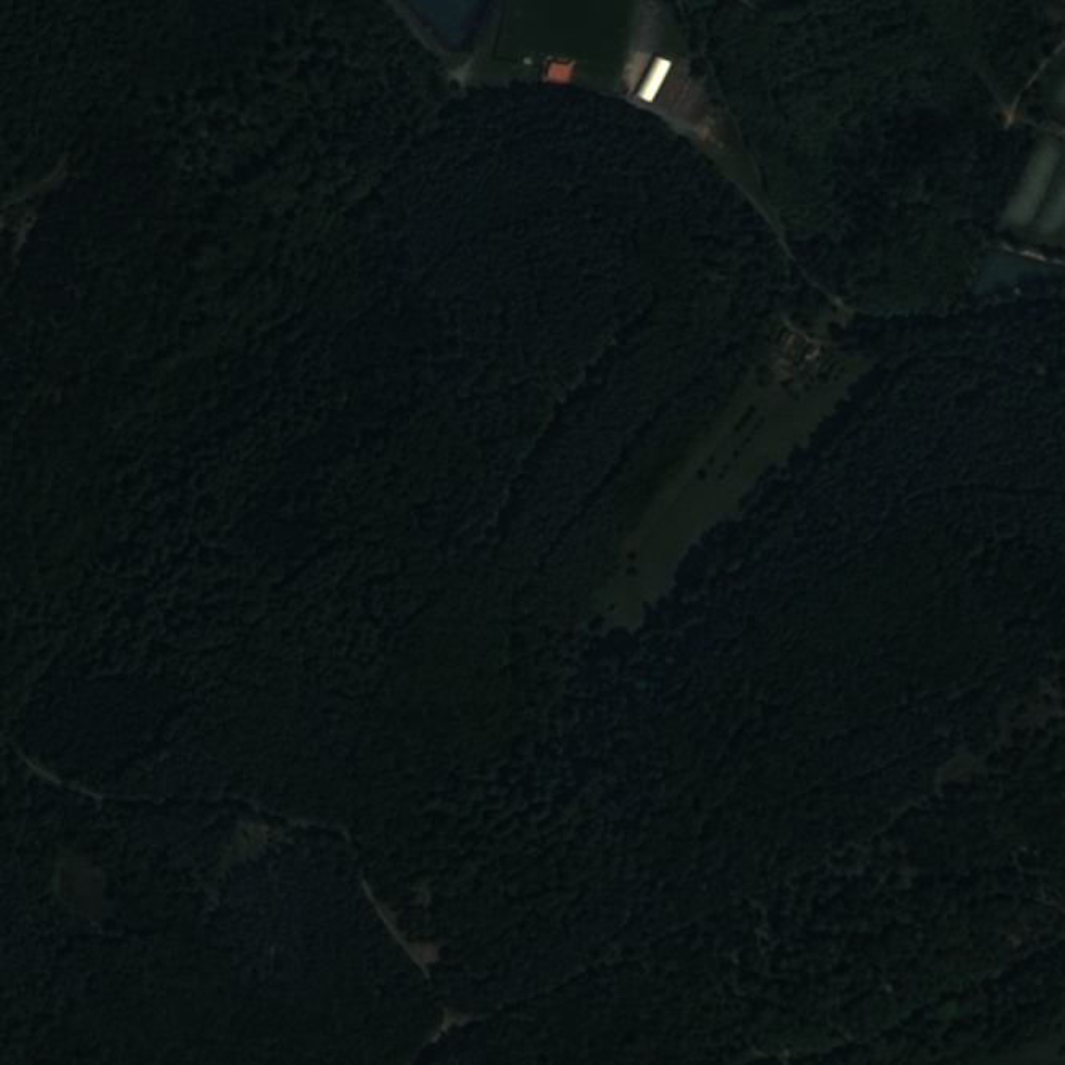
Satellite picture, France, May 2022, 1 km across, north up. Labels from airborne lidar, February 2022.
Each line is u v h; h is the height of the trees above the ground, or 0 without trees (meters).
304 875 22
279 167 33
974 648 18
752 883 14
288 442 12
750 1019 28
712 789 20
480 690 19
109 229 16
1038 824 12
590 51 0
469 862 16
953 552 20
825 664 19
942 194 24
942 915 29
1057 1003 20
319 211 33
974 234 18
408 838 17
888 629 22
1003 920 30
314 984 18
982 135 22
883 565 20
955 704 15
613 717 30
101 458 16
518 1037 14
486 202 20
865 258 23
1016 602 19
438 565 19
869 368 0
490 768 18
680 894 14
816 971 30
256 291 28
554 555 22
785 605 21
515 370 24
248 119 32
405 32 21
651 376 24
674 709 22
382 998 18
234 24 23
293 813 16
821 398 0
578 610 22
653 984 8
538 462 23
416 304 16
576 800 33
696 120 0
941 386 25
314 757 18
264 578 26
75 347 17
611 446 26
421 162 23
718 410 25
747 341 25
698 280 17
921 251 20
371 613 13
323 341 19
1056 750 14
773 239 25
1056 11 0
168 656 23
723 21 21
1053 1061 0
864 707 19
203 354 30
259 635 24
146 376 24
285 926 21
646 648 8
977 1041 22
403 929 10
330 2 20
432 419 27
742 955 15
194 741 20
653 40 0
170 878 19
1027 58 0
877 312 19
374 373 20
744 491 0
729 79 19
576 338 19
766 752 16
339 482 25
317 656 21
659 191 20
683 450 18
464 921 16
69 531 20
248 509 15
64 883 0
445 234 21
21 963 19
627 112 27
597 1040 12
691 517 0
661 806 16
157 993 19
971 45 20
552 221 18
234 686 22
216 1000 19
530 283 18
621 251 21
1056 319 16
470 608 23
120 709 14
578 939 16
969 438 26
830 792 15
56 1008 15
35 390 8
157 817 23
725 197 28
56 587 13
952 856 14
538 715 25
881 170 24
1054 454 22
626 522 18
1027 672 19
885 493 22
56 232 17
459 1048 17
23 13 26
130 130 17
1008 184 18
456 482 22
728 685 18
